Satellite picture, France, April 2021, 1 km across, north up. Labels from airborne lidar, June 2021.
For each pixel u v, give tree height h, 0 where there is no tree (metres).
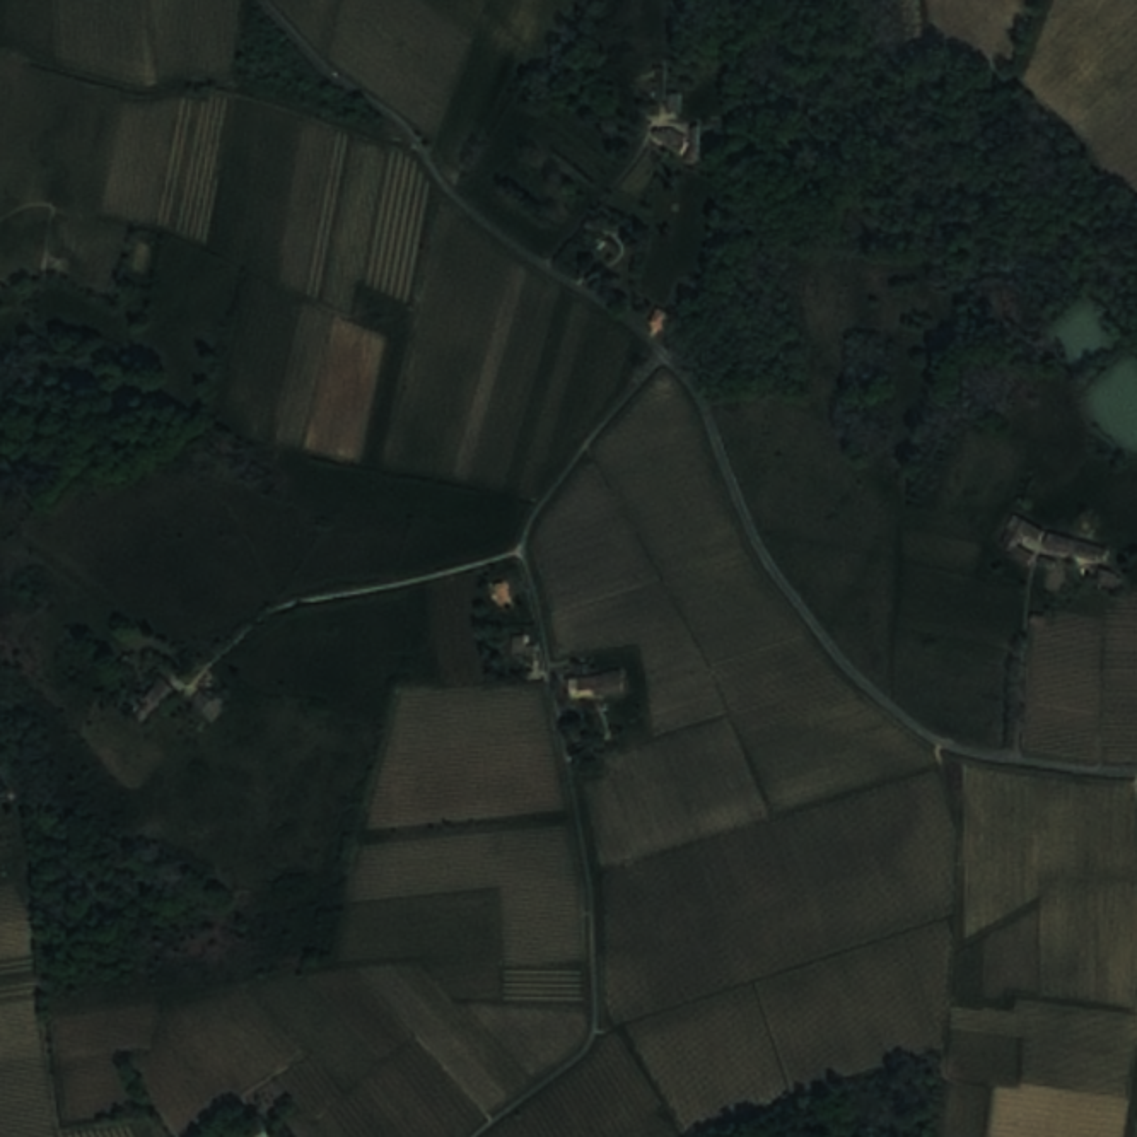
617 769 0
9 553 0
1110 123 0
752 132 18
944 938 0
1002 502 0
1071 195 17
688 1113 0
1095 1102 0
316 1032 0
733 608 0
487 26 0
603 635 0
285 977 0
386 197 0
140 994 0
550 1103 0
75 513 0
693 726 0
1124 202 23
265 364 0
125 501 0
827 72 28
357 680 0
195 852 0
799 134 28
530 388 0
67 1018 0
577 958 0
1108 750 0
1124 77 0
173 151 0
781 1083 0
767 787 0
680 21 17
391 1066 0
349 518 0
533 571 0
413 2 0
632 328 0
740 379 22
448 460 0
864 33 21
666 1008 0
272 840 0
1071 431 0
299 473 0
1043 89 0
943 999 0
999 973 0
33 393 21
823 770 0
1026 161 16
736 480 0
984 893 0
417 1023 0
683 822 0
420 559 0
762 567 0
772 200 25
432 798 0
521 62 0
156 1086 0
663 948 0
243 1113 17
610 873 0
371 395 0
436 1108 0
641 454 0
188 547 0
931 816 0
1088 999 0
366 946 0
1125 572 6
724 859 0
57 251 0
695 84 14
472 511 0
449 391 0
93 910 15
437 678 0
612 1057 0
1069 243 21
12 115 0
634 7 0
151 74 0
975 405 15
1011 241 22
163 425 21
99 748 0
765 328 17
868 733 0
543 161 11
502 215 0
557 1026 0
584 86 11
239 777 0
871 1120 13
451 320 0
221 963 0
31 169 0
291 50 7
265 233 0
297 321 0
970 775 0
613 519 0
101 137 0
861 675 0
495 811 0
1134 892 0
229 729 0
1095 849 0
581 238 6
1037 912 0
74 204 0
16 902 0
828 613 0
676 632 0
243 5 0
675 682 0
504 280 0
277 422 0
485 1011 0
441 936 0
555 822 0
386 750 0
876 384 23
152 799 0
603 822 0
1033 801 0
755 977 0
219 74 0
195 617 0
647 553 0
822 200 25
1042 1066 0
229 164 0
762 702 0
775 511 0
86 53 0
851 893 0
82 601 0
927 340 0
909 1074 26
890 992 0
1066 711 0
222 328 7
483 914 0
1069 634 0
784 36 15
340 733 0
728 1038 0
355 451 0
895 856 0
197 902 17
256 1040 0
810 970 0
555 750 0
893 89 16
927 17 0
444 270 0
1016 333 20
